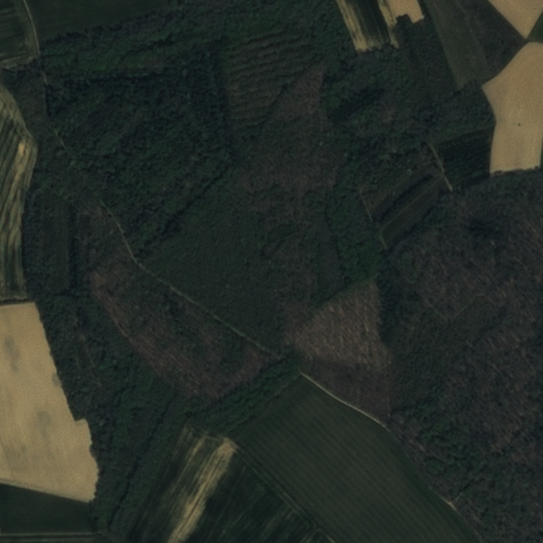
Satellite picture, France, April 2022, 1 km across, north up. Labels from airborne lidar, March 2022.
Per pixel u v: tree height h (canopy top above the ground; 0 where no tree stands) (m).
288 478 0
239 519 0
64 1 0
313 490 0
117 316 16
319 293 18
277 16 21
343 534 0
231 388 17
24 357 0
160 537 0
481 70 0
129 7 0
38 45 0
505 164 0
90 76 10
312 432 0
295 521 0
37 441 0
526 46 0
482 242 28
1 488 0
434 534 0
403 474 0
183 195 20
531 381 25
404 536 0
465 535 0
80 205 11
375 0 0
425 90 7
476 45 0
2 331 0
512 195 27
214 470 0
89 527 0
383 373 18
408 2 0
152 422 15
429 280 25
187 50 19
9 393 0
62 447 0
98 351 22
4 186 0
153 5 0
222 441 0
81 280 23
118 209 21
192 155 21
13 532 0
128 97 30
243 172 21
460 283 29
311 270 19
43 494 0
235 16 24
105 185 20
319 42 21
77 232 17
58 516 0
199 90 22
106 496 21
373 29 0
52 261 7
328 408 0
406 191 0
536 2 0
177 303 17
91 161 12
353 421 0
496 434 17
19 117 0
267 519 0
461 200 27
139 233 17
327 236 0
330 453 0
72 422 0
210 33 24
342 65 19
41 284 9
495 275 26
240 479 0
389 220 17
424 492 0
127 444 20
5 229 0
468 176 7
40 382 0
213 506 0
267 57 6
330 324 0
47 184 20
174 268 16
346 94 23
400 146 24
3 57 0
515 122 0
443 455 27
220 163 21
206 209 21
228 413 23
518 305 23
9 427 0
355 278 19
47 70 23
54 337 11
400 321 24
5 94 0
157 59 25
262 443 0
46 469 0
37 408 0
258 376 20
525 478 28
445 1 0
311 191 20
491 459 24
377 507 0
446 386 21
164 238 18
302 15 24
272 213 11
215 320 16
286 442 0
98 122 25
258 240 17
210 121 19
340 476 0
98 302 19
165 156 19
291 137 14
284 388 25
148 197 19
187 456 0
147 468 24
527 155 0
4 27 0
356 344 0
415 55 8
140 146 13
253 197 16
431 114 20
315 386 0
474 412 26
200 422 21
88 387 11
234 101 13
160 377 15
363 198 23
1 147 0
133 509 22
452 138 13
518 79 0
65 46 21
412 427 26
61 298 19
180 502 0
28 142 0
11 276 0
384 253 10
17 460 0
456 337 7
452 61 0
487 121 15
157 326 18
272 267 16
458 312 24
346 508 0
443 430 16
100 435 24
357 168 23
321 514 0
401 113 28
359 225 29
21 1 0
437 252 25
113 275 17
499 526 24
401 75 24
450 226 22
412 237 18
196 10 22
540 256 27
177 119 21
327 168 21
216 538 0
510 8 0
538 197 26
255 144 15
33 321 0
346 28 11
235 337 16
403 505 0
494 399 25
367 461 0
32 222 20
